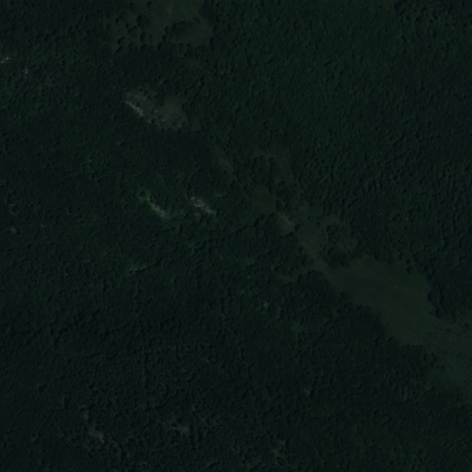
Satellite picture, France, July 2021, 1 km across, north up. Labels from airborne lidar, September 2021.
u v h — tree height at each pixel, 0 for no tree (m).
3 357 35
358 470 24
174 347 28
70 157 23
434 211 24
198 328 24
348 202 18
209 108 22
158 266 27
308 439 21
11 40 14
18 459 29
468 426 16
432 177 21
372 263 0
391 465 13
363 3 31
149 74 16
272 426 19
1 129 28
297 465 19
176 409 30
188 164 19
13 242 26
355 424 19
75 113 18
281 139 8
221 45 20
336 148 27
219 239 10
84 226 19
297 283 8
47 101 24
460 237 23
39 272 28
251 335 22
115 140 15
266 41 22
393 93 21
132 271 16
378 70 26
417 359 19
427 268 15
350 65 25
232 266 21
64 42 15
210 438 29
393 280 0
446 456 23
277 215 10
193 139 17
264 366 20
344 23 23
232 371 12
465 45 29
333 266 15
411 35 26
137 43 5
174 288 24
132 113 18
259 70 27
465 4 25
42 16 21
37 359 34
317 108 24
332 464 21
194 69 18
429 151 20
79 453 31
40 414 27
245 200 21
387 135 19
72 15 21
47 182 26
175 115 0
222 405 27
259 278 17
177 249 16
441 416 14
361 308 17
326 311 22
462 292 18
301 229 15
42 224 24
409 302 0
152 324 19
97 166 14
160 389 29
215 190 12
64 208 25
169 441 26
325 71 21
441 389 6
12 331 6
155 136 22
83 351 33
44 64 17
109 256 11
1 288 27
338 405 18
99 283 27
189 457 29
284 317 16
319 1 25
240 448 20
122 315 27
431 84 25
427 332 0
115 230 13
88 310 20
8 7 25
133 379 28
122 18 14
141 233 17
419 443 19
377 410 16
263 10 19
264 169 21
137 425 28
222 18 23
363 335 20
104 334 14
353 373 21
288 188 12
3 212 27
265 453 21
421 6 24
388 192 24
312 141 21
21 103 22
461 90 26
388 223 16
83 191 23
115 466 32
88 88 19
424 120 23
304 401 20
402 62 26
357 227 15
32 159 29
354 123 24
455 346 0
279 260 19
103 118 16
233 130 20
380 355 20
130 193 13
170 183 15
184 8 0
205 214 17
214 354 25
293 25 9
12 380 29
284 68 19
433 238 25
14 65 20
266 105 21
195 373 26
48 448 24
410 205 20
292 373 19
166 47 21
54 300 26
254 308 20
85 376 28
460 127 21
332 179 8
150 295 27
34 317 31
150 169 18
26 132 27
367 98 23
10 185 23
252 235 20
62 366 31
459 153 22
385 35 23
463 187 17
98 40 19
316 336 19
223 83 21
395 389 10
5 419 27
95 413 27
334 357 18
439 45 27
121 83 15
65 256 27
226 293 14
